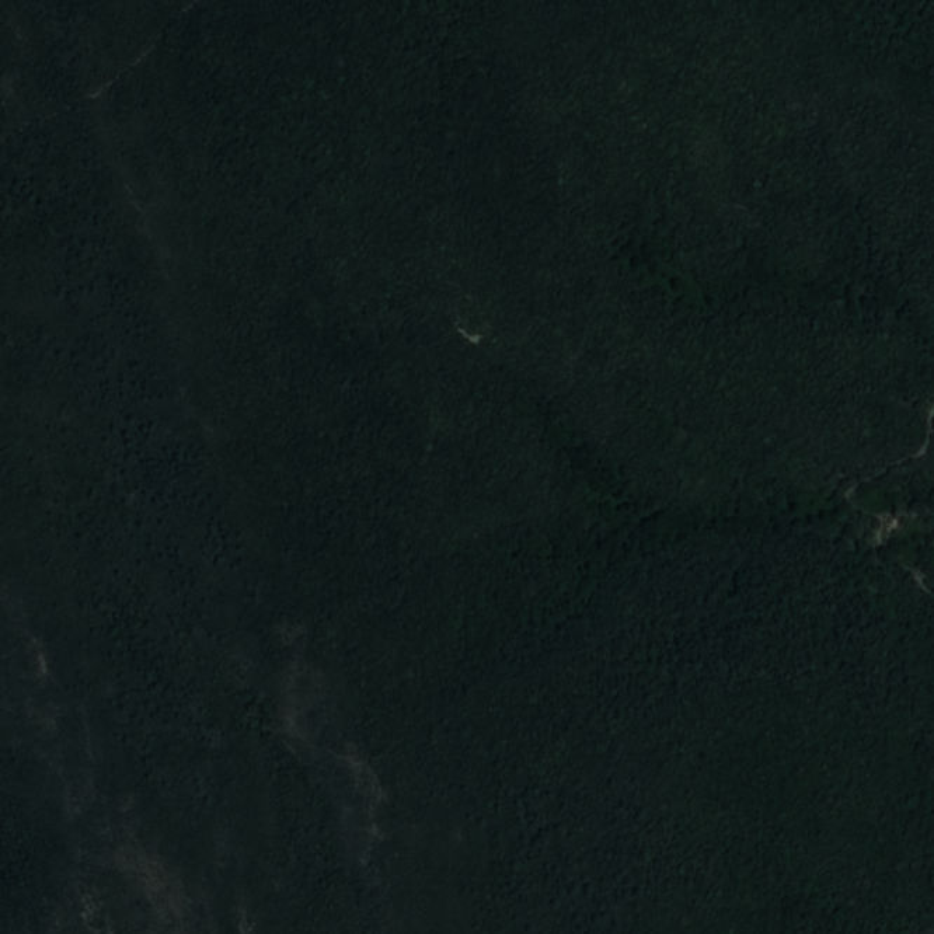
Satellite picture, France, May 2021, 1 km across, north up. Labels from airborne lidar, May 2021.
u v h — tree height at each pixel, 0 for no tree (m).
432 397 11
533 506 8
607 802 11
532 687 10
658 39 10
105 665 6
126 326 6
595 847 7
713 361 7
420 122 11
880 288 16
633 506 19
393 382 10
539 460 8
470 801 6
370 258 9
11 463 6
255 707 14
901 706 8
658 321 15
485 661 14
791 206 13
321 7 12
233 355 9
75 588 6
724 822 12
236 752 7
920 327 17
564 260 11
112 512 7
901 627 9
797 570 13
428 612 8
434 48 11
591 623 8
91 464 7
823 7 6
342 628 10
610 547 18
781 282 19
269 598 8
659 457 7
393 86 10
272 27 11
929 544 7
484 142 15
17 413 7
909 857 7
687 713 8
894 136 6
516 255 13
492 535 13
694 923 7
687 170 10
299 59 9
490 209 13
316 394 12
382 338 12
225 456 7
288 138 8
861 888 9
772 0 12
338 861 7
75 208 11
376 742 6
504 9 9
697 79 9
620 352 7
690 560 11
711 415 7
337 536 14
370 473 6
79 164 8
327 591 10
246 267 9
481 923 7
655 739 9
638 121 8
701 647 16
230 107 11
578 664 11
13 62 5
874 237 18
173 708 15
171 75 9
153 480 15
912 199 9
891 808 9
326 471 9
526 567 16
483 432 11
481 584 13
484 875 7
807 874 8
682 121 7
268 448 12
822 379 11
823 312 11
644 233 21
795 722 8
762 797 10
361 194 6
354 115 9
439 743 7
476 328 10
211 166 8
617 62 10
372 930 7
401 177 10
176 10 11
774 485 15
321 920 6
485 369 12
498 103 16
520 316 8
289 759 9
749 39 8
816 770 8
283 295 7
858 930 14
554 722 10
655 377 8
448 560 13
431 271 8
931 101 9
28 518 7
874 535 14
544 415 13
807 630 12
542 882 8
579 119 14
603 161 13
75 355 15
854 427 8
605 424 7
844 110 5
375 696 10
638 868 10
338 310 10
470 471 12
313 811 7
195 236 8
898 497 8
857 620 15
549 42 8
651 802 8
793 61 8
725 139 8
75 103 8
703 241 12
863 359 8
